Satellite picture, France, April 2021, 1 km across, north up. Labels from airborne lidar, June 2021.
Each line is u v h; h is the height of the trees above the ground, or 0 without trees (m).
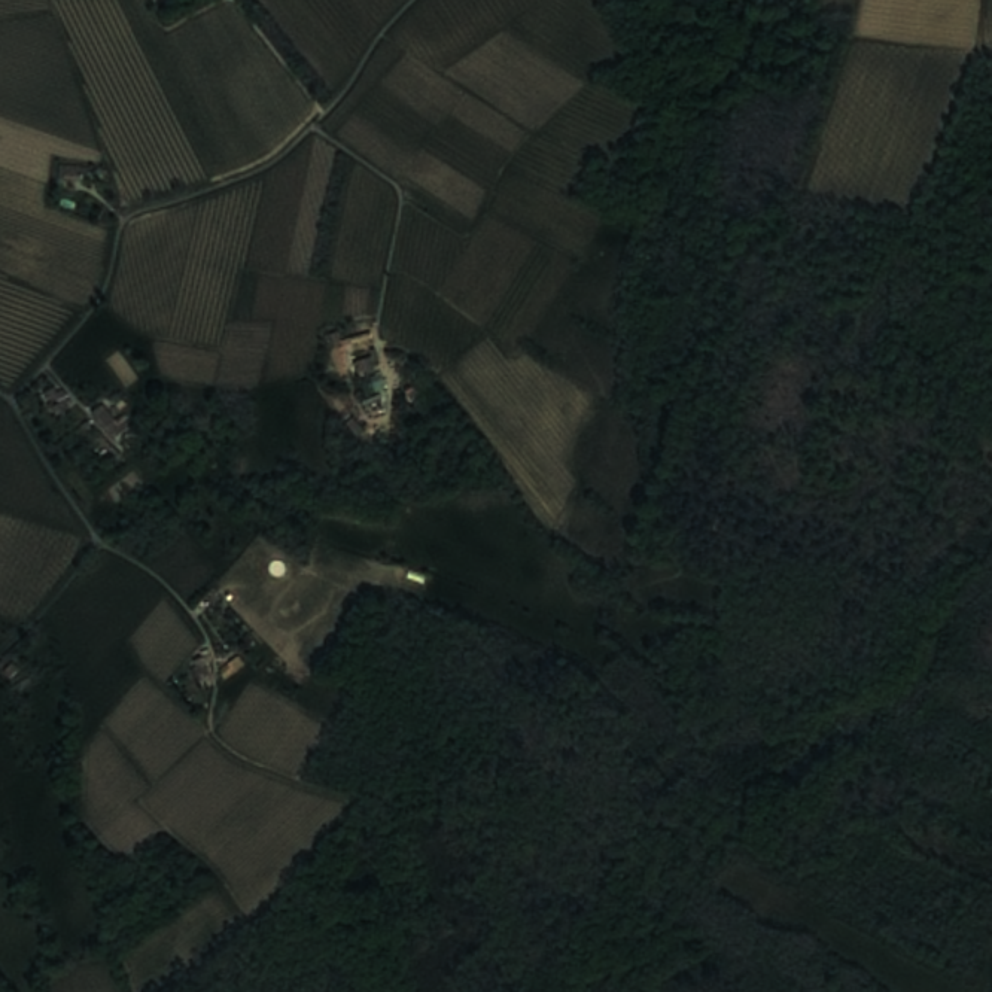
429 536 0
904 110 0
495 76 0
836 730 12
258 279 0
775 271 21
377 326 0
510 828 19
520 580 0
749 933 20
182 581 0
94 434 10
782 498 11
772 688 17
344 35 0
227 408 17
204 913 0
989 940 9
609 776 18
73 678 0
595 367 0
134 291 0
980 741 10
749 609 17
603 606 9
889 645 24
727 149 17
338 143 0
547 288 0
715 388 21
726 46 33
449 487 17
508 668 13
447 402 7
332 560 0
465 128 0
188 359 0
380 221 0
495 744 16
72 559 0
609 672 15
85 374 0
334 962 17
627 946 24
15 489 0
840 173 0
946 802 15
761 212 17
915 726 9
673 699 13
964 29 0
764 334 21
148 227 0
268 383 0
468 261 0
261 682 0
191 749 0
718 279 23
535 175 0
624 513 0
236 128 0
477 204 0
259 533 12
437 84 0
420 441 10
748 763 21
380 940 24
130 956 9
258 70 0
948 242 15
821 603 15
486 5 0
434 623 20
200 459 16
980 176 13
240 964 13
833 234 10
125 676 0
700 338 19
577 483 0
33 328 0
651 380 19
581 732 18
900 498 13
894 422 21
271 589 0
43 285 0
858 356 16
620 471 0
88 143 0
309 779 14
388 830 17
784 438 13
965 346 20
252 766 0
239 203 0
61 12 0
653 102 15
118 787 0
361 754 15
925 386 18
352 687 13
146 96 0
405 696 20
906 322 15
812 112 15
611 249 0
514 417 0
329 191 9
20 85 0
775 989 12
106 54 0
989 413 23
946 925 19
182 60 0
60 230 0
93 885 11
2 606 0
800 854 14
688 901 19
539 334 0
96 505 0
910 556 20
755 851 17
